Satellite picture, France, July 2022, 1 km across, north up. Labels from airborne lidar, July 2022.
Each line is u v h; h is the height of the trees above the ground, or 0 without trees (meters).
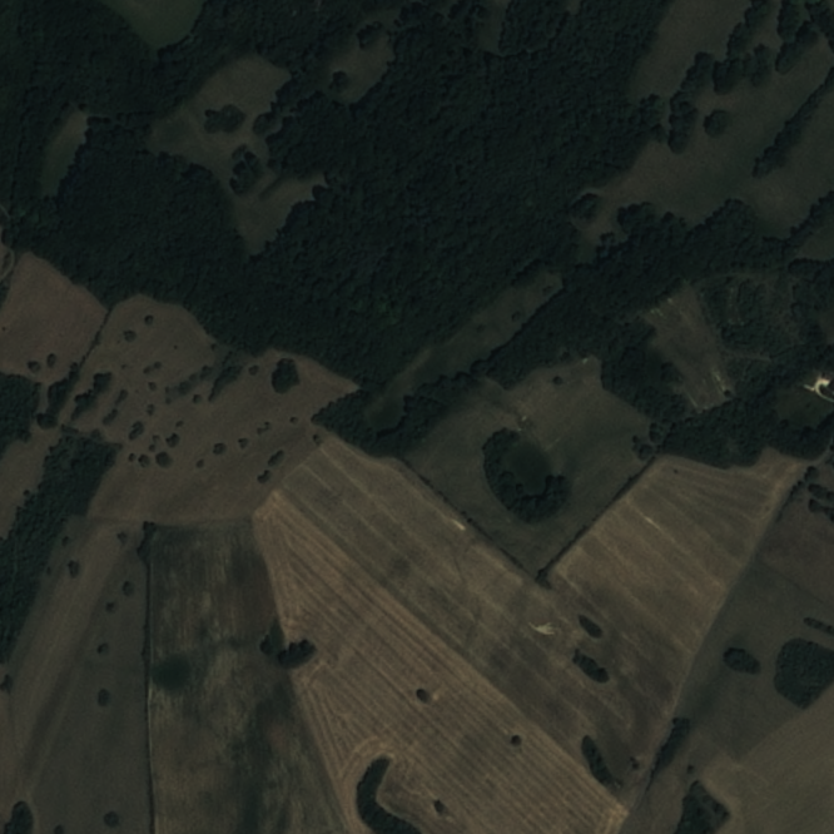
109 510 0
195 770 0
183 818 0
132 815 0
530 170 9
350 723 0
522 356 7
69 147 0
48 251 15
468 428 0
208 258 17
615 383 10
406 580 0
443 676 0
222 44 8
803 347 6
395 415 0
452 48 13
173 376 0
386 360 8
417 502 0
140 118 18
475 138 17
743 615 0
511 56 8
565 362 8
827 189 0
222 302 14
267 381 0
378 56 0
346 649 0
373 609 0
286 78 0
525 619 0
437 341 10
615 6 8
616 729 0
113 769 0
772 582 0
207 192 22
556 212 10
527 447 0
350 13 8
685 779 0
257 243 0
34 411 6
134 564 0
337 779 0
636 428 0
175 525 0
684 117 7
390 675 0
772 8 10
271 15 9
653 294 16
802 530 0
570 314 14
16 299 0
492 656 0
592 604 0
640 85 0
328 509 0
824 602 0
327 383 0
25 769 0
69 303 0
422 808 0
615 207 0
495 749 0
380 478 0
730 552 0
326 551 0
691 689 0
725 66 12
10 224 10
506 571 0
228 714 0
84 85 8
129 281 12
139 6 0
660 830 0
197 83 5
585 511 0
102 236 16
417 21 17
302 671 0
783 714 0
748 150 0
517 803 0
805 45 16
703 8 0
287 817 0
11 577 7
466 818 0
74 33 20
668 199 0
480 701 0
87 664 0
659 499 0
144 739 0
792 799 0
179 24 0
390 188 9
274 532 0
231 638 0
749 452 9
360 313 10
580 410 0
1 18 6
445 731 0
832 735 0
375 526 0
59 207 23
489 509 0
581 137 20
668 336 0
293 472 0
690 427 9
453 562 0
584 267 15
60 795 0
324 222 19
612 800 0
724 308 7
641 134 18
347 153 22
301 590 0
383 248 16
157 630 0
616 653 0
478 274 13
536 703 0
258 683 0
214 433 0
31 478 0
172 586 0
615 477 0
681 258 20
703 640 0
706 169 0
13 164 11
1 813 0
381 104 16
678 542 0
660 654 0
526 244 10
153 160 20
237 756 0
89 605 0
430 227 20
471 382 16
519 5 13
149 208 17
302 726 0
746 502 0
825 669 6
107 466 8
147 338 0
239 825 0
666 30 0
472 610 0
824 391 7
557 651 0
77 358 0
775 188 0
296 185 0
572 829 0
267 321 16
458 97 14
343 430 12
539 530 0
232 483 0
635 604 0
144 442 0
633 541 0
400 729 0
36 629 0
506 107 15
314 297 18
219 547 0
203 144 0
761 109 0
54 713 0
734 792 0
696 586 0
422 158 13
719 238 16
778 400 22
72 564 7
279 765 0
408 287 15
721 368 0
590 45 12
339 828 0
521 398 0
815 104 10
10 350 0
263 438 0
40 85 10
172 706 0
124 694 0
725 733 0
